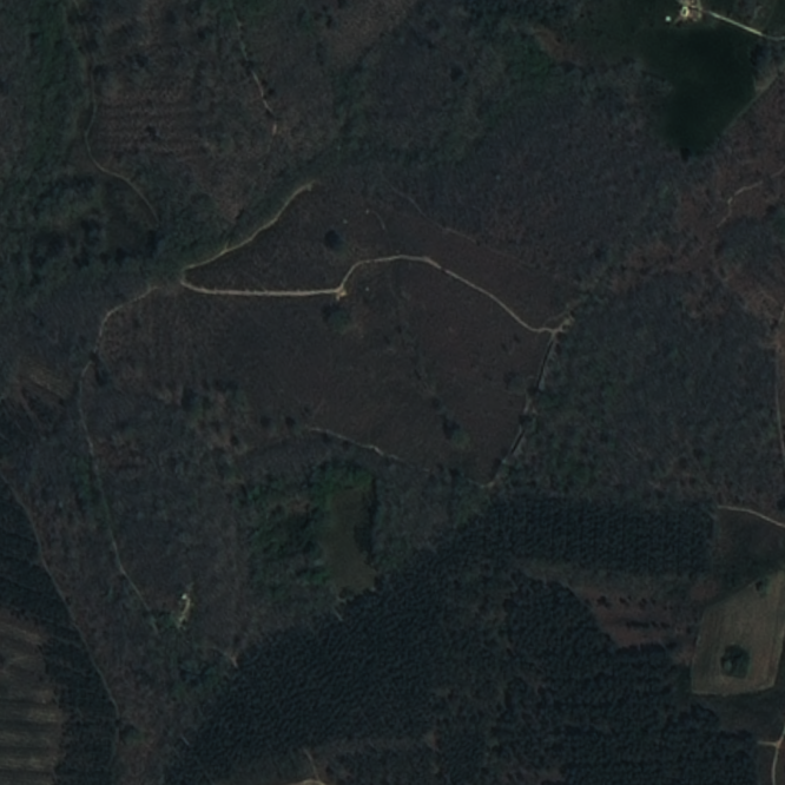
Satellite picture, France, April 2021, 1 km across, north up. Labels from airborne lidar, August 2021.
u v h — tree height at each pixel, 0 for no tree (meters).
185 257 24
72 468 24
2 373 21
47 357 16
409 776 18
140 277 21
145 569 8
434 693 20
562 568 20
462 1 14
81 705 8
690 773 24
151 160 14
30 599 12
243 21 16
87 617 6
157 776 18
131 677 8
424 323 0
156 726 10
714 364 10
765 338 8
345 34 8
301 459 13
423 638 23
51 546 13
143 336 18
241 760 22
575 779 24
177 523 15
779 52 17
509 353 14
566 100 15
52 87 18
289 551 7
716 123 0
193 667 15
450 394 0
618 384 17
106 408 13
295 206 7
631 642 0
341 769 22
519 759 24
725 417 13
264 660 24
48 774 5
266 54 6
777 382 7
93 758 11
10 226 23
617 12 0
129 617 15
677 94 0
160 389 16
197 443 19
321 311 0
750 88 0
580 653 24
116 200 25
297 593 15
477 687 25
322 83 13
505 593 20
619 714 23
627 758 23
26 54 21
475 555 19
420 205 7
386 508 13
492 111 23
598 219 7
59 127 23
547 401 18
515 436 0
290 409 0
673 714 23
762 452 9
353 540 0
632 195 8
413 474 14
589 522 19
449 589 22
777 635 0
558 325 0
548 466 15
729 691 0
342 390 0
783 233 20
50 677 10
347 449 15
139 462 16
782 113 6
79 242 8
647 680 21
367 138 19
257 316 0
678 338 13
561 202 9
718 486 7
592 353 15
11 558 10
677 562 18
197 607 13
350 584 0
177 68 21
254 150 17
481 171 7
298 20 12
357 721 18
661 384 7
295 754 17
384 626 21
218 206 12
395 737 22
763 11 0
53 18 23
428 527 12
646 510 21
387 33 13
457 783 22
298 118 9
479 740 25
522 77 24
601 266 16
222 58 15
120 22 18
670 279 13
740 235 14
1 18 18
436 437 0
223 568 17
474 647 26
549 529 22
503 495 15
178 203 13
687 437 17
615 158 6
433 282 0
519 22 19
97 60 23
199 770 22
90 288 19
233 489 6
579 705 24
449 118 11
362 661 21
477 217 8
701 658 0
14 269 6
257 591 12
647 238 11
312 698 22
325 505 17
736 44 0
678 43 0
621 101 8
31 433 10
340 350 0
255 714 26
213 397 19
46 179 27
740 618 0
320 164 20
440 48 8
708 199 13
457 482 19
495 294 0
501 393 0
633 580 15
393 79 12
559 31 7
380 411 0
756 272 8
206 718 19
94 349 15
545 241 9
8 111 17
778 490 7
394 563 20
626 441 14
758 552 0
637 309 14
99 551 7
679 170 6
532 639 26
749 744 22
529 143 10
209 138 11
